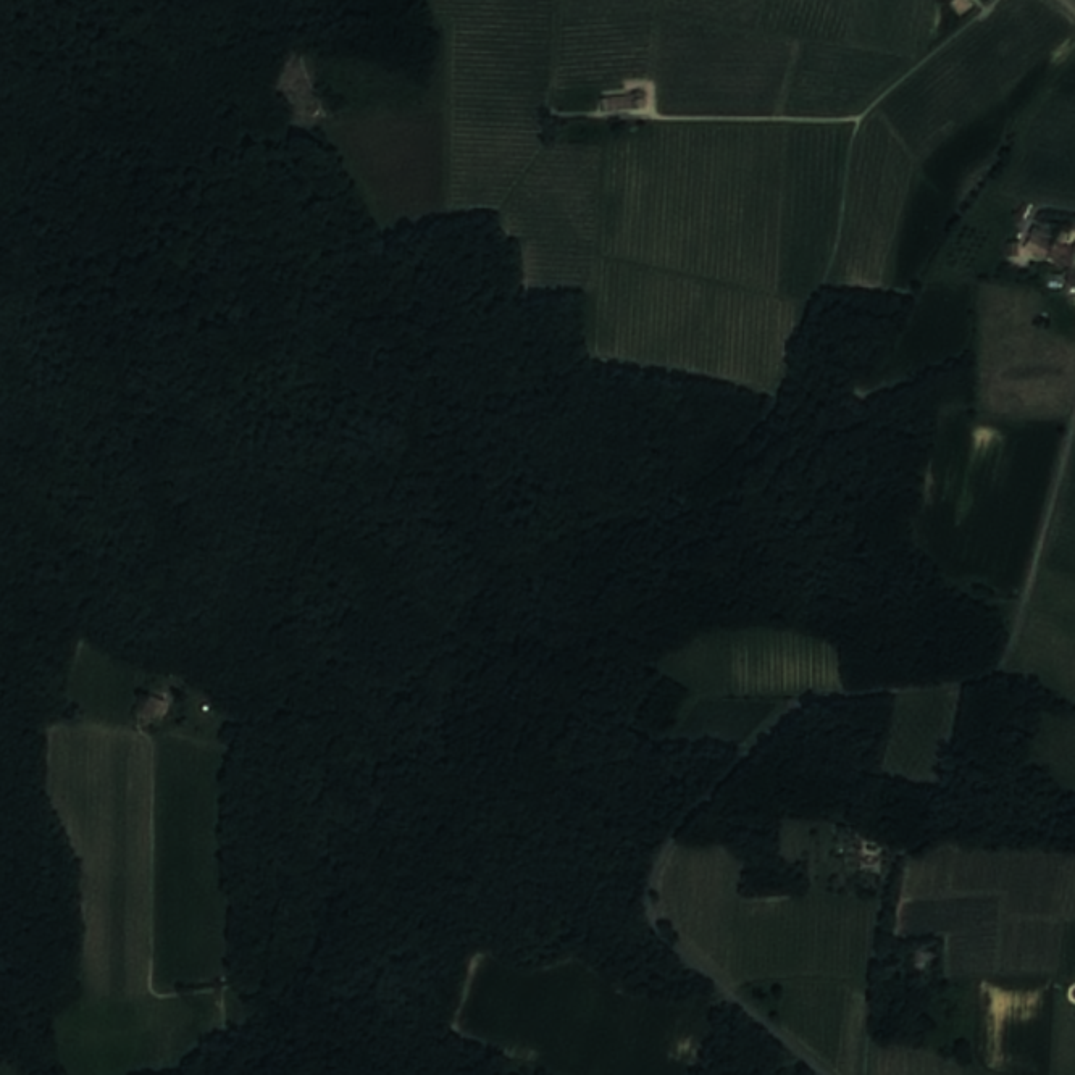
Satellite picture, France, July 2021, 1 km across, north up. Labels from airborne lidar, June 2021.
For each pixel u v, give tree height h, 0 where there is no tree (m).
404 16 17
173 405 18
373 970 21
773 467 29
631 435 20
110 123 14
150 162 28
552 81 0
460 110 0
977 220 0
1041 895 0
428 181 0
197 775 0
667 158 0
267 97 18
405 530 19
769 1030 12
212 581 20
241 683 22
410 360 21
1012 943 0
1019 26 0
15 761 19
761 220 0
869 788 24
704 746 17
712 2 0
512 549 21
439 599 18
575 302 16
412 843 20
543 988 0
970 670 18
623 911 19
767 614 17
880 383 0
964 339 0
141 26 11
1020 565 0
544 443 26
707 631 11
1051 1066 0
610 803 16
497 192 0
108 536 11
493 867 20
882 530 20
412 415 21
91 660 0
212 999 0
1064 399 0
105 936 0
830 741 23
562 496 28
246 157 24
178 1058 0
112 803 0
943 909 0
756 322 0
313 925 25
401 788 26
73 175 26
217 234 17
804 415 20
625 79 0
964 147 0
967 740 11
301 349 18
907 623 18
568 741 26
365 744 25
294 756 21
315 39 20
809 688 0
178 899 0
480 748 20
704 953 0
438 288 29
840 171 0
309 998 32
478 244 24
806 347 23
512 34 0
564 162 0
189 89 18
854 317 24
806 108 0
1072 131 0
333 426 22
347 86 0
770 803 12
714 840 12
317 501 24
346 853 24
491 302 18
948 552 0
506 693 21
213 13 20
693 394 19
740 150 0
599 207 0
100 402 21
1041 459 0
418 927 23
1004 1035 0
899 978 16
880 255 0
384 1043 24
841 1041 0
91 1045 0
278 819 21
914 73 0
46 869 26
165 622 24
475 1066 22
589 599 26
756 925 0
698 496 19
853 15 0
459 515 20
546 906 16
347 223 17
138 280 23
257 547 20
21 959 32
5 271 23
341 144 0
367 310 18
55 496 18
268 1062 25
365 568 22
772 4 0
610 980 15
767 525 20
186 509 23
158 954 0
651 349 0
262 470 17
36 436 16
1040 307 0
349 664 19
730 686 0
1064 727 0
